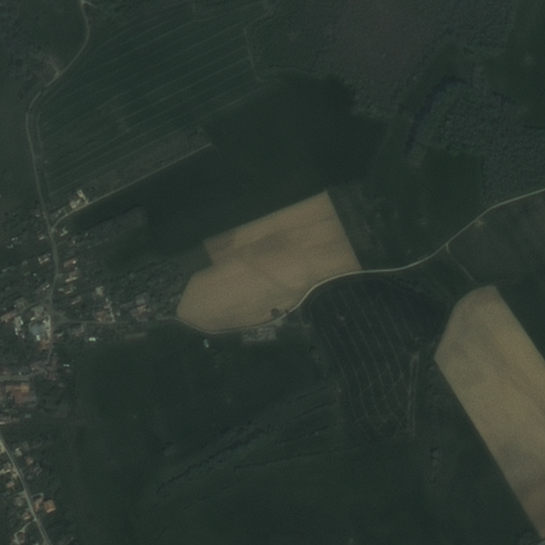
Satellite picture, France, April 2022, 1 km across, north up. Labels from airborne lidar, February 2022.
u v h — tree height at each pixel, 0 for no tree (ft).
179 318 0
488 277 0
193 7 0
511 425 0
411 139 0
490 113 62
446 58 0
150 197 0
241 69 0
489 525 0
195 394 0
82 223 0
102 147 0
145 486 0
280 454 0
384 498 0
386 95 51
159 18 0
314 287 0
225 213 0
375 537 0
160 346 0
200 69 0
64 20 0
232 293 0
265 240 0
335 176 0
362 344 0
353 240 0
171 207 0
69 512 37
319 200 0
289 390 0
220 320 0
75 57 0
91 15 54
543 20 0
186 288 0
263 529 0
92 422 0
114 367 0
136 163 0
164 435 0
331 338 0
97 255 0
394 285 0
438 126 91
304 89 0
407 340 0
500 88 0
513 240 0
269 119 0
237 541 0
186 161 0
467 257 0
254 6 0
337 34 40
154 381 0
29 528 0
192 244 0
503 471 0
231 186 0
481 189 0
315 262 0
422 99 0
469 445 0
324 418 0
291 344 0
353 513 0
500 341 0
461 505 0
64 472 0
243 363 0
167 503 0
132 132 0
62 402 34
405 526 0
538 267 0
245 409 0
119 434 0
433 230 0
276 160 0
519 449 0
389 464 0
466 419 0
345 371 0
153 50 0
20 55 57
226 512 0
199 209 0
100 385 0
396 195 0
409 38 43
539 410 0
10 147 0
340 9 25
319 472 0
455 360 0
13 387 0
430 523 0
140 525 0
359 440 0
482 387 0
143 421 0
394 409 0
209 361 0
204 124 0
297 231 0
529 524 0
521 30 0
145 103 0
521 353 0
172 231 0
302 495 0
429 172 0
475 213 0
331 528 0
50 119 0
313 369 0
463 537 0
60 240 0
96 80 0
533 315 0
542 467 0
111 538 0
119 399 0
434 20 43
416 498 0
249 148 0
